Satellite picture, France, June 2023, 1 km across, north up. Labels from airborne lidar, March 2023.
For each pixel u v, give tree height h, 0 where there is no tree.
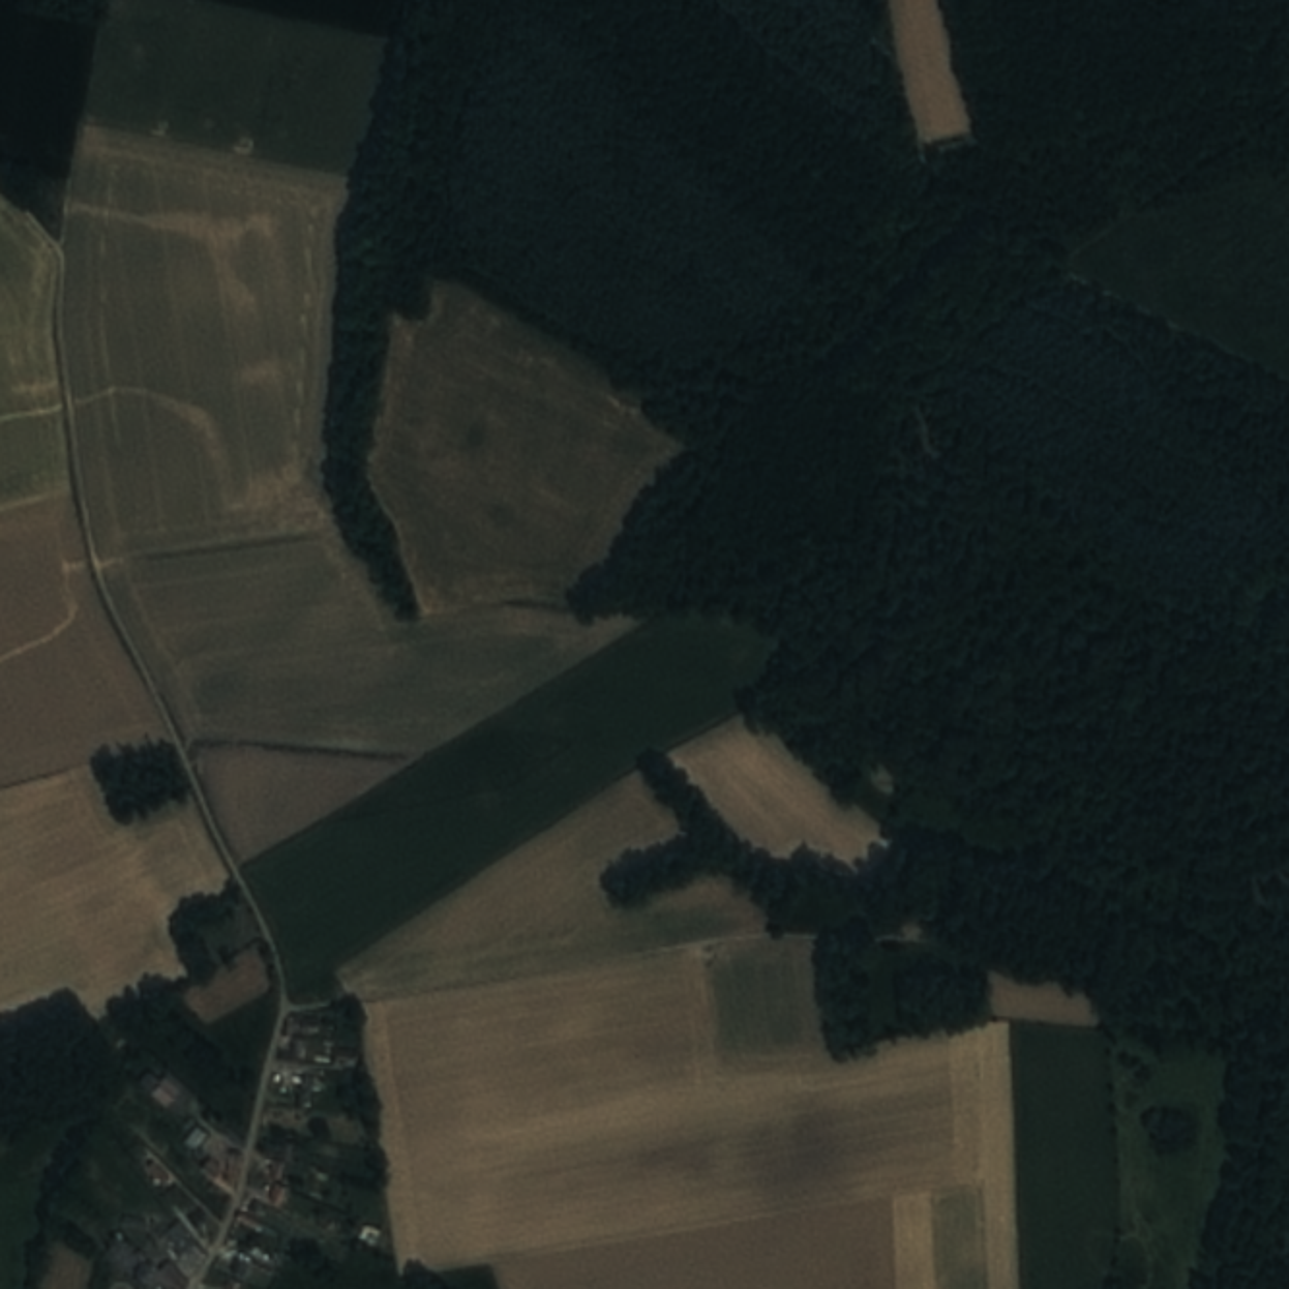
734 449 19
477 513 0
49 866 0
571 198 22
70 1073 29
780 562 17
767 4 26
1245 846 20
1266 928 18
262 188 0
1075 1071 0
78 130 0
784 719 22
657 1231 0
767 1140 0
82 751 0
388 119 25
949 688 27
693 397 31
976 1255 0
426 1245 0
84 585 0
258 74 0
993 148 7
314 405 0
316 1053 0
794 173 18
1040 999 0
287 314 0
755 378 20
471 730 0
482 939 0
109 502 0
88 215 0
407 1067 0
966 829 0
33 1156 0
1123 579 10
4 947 0
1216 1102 0
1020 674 14
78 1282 0
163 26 0
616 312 23
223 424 0
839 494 21
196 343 0
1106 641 26
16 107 0
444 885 0
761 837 0
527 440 0
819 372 19
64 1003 18
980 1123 0
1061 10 18
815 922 0
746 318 23
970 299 22
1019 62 20
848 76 28
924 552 29
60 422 0
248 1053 0
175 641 0
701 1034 0
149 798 11
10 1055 12
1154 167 8
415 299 15
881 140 19
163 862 0
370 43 0
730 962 0
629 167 21
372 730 0
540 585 0
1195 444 17
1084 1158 0
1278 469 19
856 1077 0
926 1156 0
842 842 0
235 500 0
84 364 0
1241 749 19
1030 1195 0
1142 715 25
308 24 0
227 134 0
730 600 8
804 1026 0
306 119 0
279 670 0
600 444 0
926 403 23
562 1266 0
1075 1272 0
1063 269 14
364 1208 0
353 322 16
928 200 17
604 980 0
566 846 0
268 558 0
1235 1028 16
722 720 0
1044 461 22
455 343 0
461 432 0
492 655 0
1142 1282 0
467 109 19
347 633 0
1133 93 19
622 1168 0
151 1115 0
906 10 0
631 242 22
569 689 0
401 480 0
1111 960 33
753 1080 0
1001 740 22
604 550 0
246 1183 0
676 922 0
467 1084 0
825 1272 0
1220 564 20
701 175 24
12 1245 0
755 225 26
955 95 0
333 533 0
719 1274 0
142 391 0
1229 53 20
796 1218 0
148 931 0
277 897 0
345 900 0
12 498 0
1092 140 8
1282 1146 21
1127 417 17
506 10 13
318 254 0
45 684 0
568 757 0
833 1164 0
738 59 19
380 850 0
